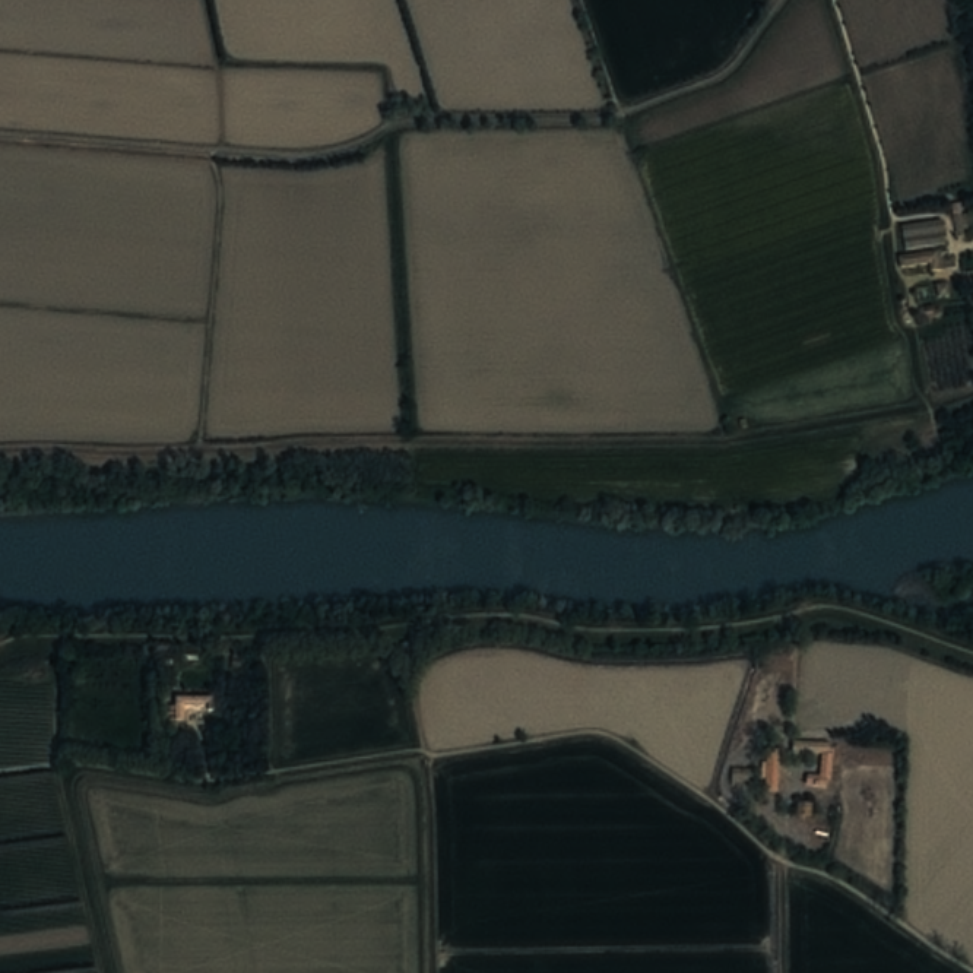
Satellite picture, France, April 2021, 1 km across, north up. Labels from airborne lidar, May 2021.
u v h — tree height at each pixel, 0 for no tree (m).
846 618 0
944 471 9
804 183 0
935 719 0
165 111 0
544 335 0
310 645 30
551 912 0
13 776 10
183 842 0
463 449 0
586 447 0
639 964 0
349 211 0
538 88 0
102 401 0
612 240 0
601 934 0
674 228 0
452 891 0
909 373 0
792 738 17
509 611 15
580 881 0
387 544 0
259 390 0
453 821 0
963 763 0
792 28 0
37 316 0
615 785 0
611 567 0
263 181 0
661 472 0
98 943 0
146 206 0
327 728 0
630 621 6
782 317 0
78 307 0
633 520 22
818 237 0
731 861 0
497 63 0
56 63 0
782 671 0
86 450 0
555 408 0
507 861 0
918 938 0
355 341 0
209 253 0
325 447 0
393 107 12
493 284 0
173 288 0
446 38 0
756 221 0
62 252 0
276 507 0
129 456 0
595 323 0
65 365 0
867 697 0
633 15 0
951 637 8
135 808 0
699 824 0
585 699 0
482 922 0
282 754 0
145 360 0
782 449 0
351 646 30
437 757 0
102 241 0
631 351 0
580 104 0
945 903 0
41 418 0
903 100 0
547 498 0
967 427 13
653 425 0
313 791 0
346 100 0
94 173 0
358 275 0
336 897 0
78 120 0
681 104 0
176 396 0
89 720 0
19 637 11
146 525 0
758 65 0
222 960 0
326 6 0
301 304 0
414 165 0
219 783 9
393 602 12
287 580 0
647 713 0
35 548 0
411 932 0
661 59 0
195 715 0
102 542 0
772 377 0
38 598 0
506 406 0
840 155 0
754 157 0
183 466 23
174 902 0
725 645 15
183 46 0
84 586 0
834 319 0
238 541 0
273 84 0
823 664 0
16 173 0
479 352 0
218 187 0
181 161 0
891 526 0
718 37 0
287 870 0
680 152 0
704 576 0
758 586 0
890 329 0
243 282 0
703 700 0
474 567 0
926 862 0
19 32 0
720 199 0
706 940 0
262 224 0
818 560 0
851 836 0
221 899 0
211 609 11
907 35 0
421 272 0
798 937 0
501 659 0
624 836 0
